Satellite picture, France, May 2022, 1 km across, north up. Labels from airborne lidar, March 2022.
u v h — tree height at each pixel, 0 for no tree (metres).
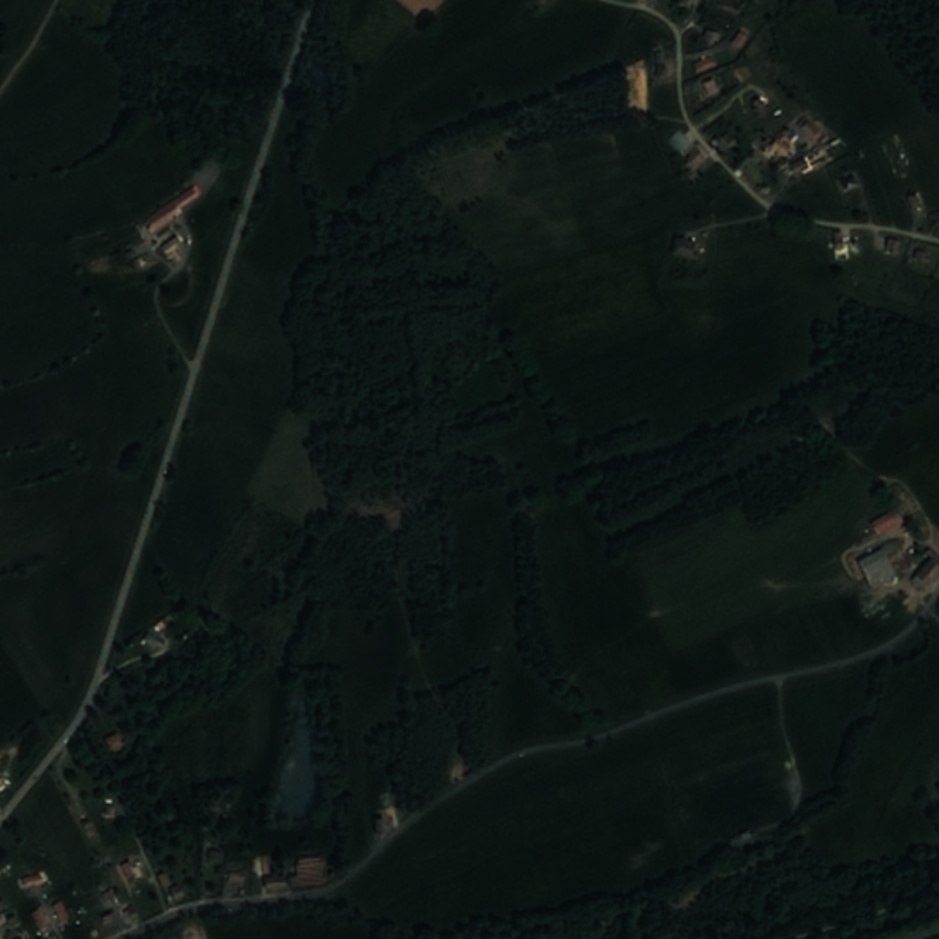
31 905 0
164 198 0
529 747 0
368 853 0
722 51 0
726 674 0
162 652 0
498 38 0
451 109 0
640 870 0
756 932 24
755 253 0
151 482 0
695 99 0
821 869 19
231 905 0
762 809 0
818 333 15
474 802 0
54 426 0
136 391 0
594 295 0
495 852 0
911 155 0
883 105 0
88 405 0
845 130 0
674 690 0
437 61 0
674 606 0
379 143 0
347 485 18
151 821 13
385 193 24
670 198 0
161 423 10
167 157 0
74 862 0
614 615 0
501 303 0
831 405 0
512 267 0
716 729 0
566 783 0
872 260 0
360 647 0
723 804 0
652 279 0
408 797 15
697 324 0
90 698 0
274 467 0
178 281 0
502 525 0
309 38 12
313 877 0
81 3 0
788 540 0
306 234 0
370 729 0
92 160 8
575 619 0
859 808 0
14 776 0
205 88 20
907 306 0
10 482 0
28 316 0
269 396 0
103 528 0
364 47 0
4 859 23
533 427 0
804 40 0
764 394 0
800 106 0
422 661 0
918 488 0
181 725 0
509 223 0
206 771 0
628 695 0
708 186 0
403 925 0
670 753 0
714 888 5
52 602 0
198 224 0
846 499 0
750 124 0
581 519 0
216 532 0
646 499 18
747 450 0
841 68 0
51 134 0
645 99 0
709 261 0
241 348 0
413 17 0
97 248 0
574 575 0
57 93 0
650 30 0
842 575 0
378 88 0
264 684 0
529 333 0
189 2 16
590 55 0
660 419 0
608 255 0
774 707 0
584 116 17
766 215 0
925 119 0
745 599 0
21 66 0
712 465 15
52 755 0
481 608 0
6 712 0
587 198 0
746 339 0
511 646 0
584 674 0
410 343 24
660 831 0
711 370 0
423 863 0
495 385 0
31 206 0
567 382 0
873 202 0
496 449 0
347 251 17
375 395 15
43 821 0
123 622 0
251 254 0
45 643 0
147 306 0
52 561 0
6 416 0
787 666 0
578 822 0
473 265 17
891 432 0
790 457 12
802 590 0
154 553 0
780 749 0
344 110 17
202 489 0
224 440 0
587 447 12
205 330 0
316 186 18
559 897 0
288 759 0
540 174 0
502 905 0
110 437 0
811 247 0
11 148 0
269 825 16
